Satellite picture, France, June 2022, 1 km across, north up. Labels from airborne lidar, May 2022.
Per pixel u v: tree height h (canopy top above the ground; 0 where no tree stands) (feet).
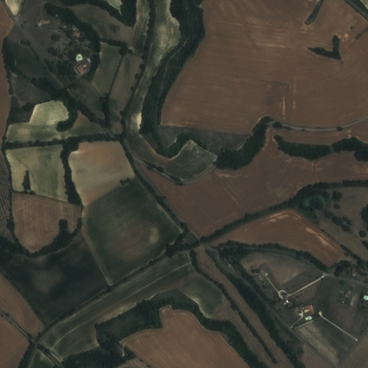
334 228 0
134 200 0
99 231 0
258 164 0
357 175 0
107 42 48
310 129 0
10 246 55
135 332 34
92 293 0
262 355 0
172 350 0
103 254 0
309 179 0
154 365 0
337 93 0
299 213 0
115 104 0
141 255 0
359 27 0
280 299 26
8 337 0
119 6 0
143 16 0
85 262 0
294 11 0
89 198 0
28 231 0
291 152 54
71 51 29
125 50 47
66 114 0
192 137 22
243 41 0
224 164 38
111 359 68
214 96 0
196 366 0
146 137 0
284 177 0
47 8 40
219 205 0
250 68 0
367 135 0
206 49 0
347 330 0
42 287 0
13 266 0
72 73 40
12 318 0
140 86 0
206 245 0
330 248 0
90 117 54
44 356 0
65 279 0
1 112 0
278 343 46
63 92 48
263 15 0
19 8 0
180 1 39
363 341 0
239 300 0
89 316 0
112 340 35
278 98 0
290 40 0
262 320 26
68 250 0
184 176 0
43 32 0
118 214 0
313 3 0
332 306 0
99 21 0
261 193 0
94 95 0
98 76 0
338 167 0
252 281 27
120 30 0
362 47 0
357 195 0
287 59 0
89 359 20
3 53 31
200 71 0
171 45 0
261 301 45
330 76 0
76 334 0
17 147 41
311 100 0
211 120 0
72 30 23
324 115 0
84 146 0
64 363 58
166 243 0
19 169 0
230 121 0
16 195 0
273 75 0
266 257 0
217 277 0
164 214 0
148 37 0
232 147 0
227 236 0
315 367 0
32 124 0
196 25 31
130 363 0
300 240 0
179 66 26
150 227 0
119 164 0
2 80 0
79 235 0
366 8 32
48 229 0
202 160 0
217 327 39
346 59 0
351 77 0
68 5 39
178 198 0
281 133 0
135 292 0
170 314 0
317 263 49
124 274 0
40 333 42
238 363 0
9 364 0
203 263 0
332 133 0
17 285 0
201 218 0
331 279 0
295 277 0
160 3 0
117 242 0
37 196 0
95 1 56
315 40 0
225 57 0
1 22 0
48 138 0
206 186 0
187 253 0
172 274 0
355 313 0
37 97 0
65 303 0
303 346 0
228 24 0
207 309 0
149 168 32
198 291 0
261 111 0
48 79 41
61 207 0
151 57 0
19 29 0
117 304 0
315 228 0
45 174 0
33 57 0
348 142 58
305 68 0
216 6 0
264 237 0
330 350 0
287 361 0
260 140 47
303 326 0
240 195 0
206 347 0
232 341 41
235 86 0
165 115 0
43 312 0
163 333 0
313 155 39
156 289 0
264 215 0
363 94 0
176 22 0
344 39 0
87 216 0
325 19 0
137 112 0
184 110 0
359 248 0
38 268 0
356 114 0
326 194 54
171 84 31
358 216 0
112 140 27
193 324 0
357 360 0
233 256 25
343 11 0
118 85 0
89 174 0
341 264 33
